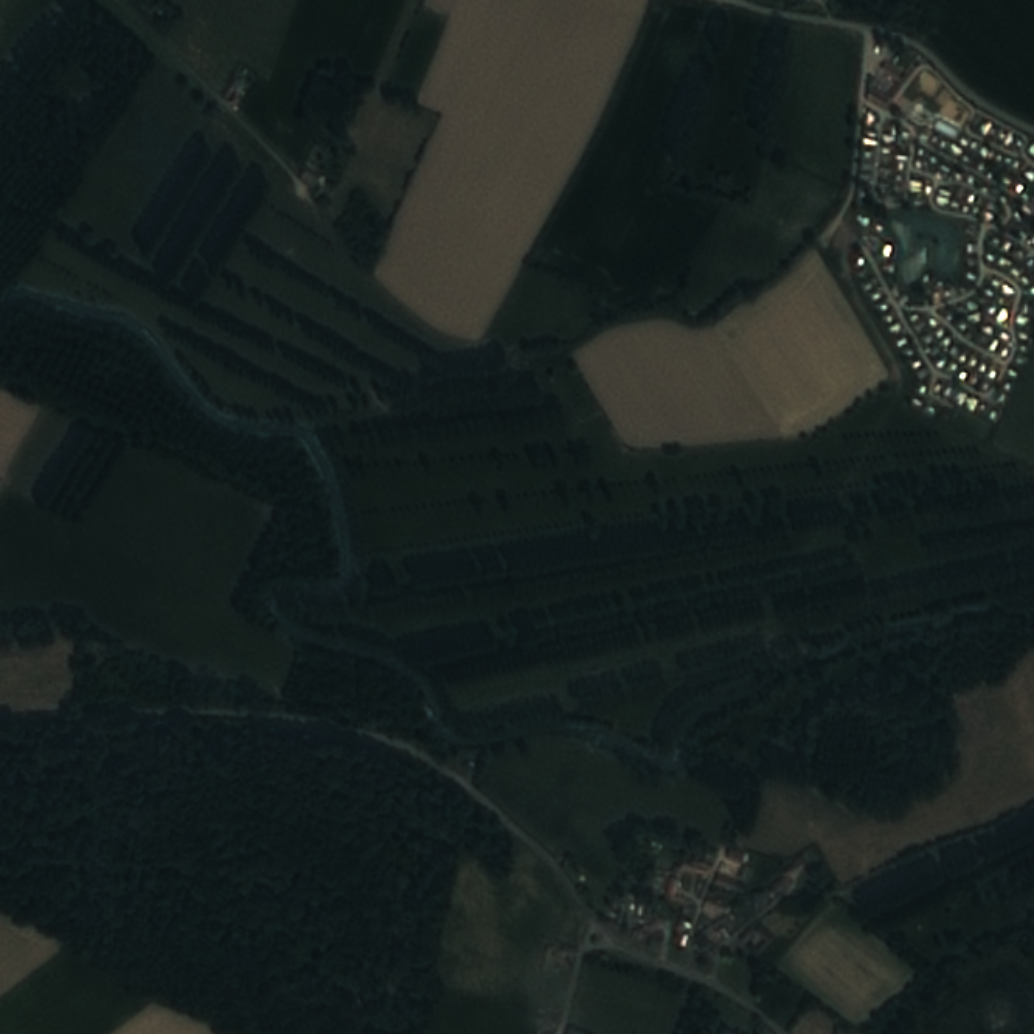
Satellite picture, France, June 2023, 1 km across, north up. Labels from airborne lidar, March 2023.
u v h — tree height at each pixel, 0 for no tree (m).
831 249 0
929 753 39
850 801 15
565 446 0
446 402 27
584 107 0
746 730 0
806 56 0
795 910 10
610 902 11
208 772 28
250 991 25
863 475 0
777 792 0
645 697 0
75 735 23
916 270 0
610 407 0
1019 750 0
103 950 23
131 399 15
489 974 0
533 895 0
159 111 0
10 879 21
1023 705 0
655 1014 0
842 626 0
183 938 24
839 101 0
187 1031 0
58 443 0
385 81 0
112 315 0
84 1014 0
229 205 0
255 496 7
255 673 0
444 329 0
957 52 0
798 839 0
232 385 0
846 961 0
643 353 0
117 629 0
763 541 24
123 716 27
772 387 0
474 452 0
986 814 0
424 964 26
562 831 0
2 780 19
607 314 7
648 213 0
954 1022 0
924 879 32
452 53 0
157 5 6
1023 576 28
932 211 9
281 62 0
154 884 17
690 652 0
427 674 24
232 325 24
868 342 0
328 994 27
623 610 27
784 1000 0
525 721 27
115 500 0
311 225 0
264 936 25
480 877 0
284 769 24
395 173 0
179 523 0
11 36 0
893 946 12
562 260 0
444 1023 0
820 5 0
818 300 0
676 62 0
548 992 0
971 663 10
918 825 0
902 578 0
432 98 0
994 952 15
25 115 30
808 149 0
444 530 0
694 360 0
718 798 0
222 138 0
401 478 0
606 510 0
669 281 0
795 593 32
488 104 0
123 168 0
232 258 0
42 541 0
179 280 0
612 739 0
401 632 0
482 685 0
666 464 0
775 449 0
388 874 29
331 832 24
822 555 0
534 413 27
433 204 0
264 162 0
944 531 0
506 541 0
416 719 12
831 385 0
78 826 20
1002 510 25
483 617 0
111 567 0
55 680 0
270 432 0
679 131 37
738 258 0
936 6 0
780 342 0
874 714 20
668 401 0
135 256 0
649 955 0
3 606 0
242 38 0
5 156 23
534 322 0
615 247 0
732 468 0
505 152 0
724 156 0
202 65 0
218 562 0
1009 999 0
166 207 28
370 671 14
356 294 0
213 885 24
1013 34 0
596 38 0
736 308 0
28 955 0
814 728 22
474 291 0
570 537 0
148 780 26
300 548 16
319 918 28
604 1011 0
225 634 0
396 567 0
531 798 0
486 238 0
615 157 0
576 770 0
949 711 6
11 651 0
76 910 20
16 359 8
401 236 0
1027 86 0
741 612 32
